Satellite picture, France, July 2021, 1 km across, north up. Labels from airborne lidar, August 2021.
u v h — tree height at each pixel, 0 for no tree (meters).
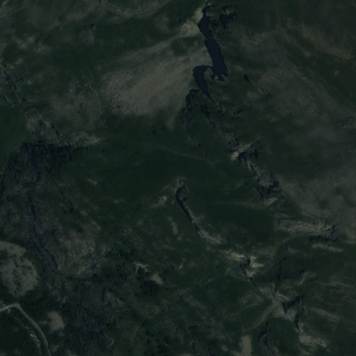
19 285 10
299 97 0
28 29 0
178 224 0
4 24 0
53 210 0
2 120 0
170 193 0
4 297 16
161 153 0
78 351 9
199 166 0
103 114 0
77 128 0
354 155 0
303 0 0
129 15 0
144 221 0
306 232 0
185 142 0
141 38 0
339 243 0
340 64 0
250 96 0
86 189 0
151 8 0
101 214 0
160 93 0
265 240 0
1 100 0
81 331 7
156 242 0
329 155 0
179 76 0
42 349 10
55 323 0
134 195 0
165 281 13
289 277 0
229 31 0
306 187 0
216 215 0
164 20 0
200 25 0
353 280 0
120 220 0
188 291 0
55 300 6
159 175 0
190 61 0
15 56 0
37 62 0
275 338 0
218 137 0
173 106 0
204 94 0
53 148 12
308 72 0
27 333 13
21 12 0
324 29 0
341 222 0
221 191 0
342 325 0
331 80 0
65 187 0
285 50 0
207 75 0
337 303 0
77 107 0
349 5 0
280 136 0
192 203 0
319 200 0
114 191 0
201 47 0
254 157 0
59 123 0
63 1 0
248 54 0
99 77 0
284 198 0
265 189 0
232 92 0
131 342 0
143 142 0
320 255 0
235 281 0
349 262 0
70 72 0
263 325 0
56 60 0
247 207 0
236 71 0
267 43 0
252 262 0
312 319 0
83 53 0
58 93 0
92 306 7
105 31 0
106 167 0
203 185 0
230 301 0
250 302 0
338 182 0
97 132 0
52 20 0
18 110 0
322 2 0
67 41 0
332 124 0
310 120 0
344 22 0
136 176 0
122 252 17
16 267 7
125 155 0
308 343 0
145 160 0
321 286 0
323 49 0
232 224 0
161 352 21
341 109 0
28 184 6
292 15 0
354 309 0
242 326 0
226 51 0
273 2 0
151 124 0
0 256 7
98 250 0
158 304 12
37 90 0
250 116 0
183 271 0
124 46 0
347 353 0
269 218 0
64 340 6
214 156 0
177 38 0
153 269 0
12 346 8
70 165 0
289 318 0
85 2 0
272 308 0
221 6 0
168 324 0
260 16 0
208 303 0
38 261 0
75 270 0
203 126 0
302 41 0
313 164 0
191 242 0
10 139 0
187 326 0
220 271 0
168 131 0
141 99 0
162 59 0
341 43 0
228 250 0
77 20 0
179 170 0
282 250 0
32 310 9
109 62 0
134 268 9
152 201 0
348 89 0
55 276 0
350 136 0
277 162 0
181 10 0
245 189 0
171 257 0
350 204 0
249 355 0
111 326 7
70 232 0
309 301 0
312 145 0
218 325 0
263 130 0
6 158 8
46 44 0
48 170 6
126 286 0
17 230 11
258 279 0
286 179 0
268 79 0
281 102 0
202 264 0
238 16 0
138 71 0
